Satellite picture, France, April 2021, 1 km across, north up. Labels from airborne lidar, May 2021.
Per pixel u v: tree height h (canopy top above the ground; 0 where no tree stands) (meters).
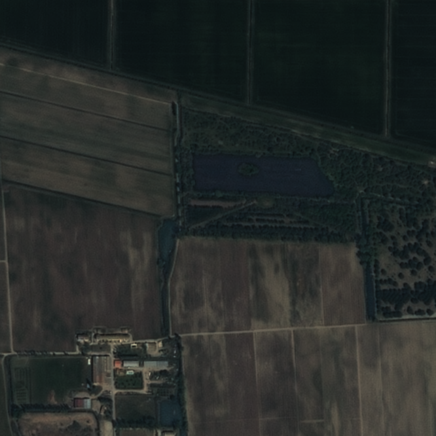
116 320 0
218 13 0
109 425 0
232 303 0
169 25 0
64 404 0
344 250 0
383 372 0
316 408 0
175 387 7
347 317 0
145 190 0
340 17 0
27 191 0
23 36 0
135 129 0
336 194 9
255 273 0
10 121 0
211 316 0
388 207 14
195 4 0
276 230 11
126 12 0
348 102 0
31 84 0
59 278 0
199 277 0
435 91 0
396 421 0
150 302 0
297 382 0
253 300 0
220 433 0
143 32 0
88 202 0
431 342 0
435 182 10
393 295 9
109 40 0
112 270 0
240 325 0
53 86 0
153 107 0
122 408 0
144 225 0
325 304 0
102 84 0
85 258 0
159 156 0
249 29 0
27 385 0
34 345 0
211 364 0
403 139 0
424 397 0
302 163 0
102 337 0
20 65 0
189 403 0
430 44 0
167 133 0
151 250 0
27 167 0
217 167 0
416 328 0
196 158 0
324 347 0
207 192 7
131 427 18
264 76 0
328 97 0
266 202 0
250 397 0
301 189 0
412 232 7
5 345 0
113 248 0
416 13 0
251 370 0
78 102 0
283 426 0
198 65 0
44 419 0
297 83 0
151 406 0
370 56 0
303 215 8
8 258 0
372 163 7
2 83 0
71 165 0
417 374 0
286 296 0
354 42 0
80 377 0
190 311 0
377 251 9
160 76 0
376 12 0
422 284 11
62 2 0
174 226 0
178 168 11
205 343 0
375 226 10
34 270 0
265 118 0
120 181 0
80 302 0
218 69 0
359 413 0
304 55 0
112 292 0
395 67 0
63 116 0
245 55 0
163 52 0
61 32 0
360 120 0
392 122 0
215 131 0
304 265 0
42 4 0
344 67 0
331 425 0
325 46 0
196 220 12
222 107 0
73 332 0
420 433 0
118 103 0
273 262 0
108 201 0
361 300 0
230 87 0
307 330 0
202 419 0
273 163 0
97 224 0
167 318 0
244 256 0
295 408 0
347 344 0
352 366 0
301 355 0
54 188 0
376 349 0
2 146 0
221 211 11
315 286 0
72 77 0
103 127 0
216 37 0
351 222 12
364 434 0
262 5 0
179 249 0
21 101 0
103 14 0
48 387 0
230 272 0
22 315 0
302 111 0
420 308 0
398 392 0
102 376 0
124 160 0
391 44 0
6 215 0
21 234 0
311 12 0
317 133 0
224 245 0
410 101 0
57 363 0
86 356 10
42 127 0
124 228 0
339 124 0
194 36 0
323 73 0
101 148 0
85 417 0
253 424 0
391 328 0
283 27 0
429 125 0
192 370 0
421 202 10
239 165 6
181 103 9
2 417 0
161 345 0
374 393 0
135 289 0
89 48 0
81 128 0
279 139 8
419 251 13
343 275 0
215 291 0
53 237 0
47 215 0
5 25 0
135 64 0
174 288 0
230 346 0
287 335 0
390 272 0
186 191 11
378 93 0
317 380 0
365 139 0
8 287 0
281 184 0
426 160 0
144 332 0
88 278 0
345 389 0
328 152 5
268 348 0
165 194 0
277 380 0
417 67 0
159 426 19
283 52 0
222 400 0
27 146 0
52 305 0
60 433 0
